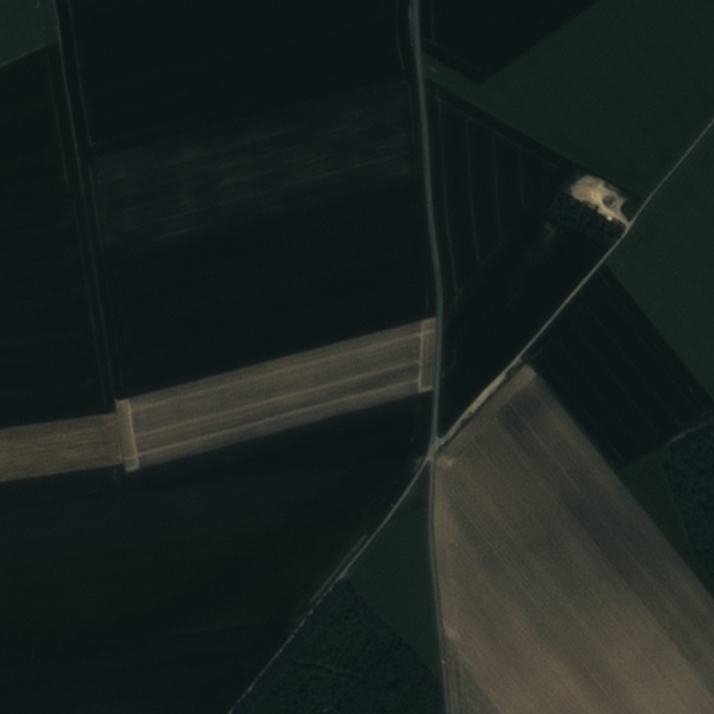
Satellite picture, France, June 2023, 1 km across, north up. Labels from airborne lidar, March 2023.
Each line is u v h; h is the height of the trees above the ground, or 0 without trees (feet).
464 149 0
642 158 0
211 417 0
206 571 0
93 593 0
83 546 0
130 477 0
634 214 0
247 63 0
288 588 0
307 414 0
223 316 0
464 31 0
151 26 0
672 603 0
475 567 0
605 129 0
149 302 0
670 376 0
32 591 0
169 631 0
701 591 0
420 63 0
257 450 0
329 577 0
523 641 0
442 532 0
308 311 0
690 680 0
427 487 0
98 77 0
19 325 0
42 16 0
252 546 0
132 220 0
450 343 0
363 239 0
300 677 33
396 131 0
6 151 0
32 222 0
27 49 0
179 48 0
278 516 0
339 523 0
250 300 0
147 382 0
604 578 0
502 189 0
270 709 37
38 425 0
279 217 0
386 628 42
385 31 0
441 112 0
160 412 0
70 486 0
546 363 0
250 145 0
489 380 0
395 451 0
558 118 0
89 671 0
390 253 0
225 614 0
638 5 0
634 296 0
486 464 0
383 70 0
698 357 0
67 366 0
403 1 0
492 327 0
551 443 0
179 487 0
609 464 0
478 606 0
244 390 0
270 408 0
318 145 0
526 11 0
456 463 0
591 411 0
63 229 0
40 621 0
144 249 0
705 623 0
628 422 0
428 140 0
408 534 0
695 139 0
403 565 0
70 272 0
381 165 0
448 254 0
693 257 0
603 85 0
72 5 0
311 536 0
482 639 0
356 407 0
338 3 0
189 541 0
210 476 0
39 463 0
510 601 0
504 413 0
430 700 19
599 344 0
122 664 0
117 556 0
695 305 0
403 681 64
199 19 0
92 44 0
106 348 0
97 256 0
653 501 0
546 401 0
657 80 0
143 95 0
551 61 0
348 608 44
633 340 0
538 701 0
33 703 0
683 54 0
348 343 0
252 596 0
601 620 0
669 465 42
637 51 0
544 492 0
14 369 0
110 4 0
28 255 0
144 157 0
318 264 0
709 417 0
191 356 0
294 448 0
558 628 0
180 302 0
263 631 0
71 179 0
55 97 0
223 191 0
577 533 0
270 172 0
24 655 0
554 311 0
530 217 0
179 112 0
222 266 0
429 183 0
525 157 0
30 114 0
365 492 0
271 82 0
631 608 0
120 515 0
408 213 0
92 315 0
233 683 0
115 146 0
